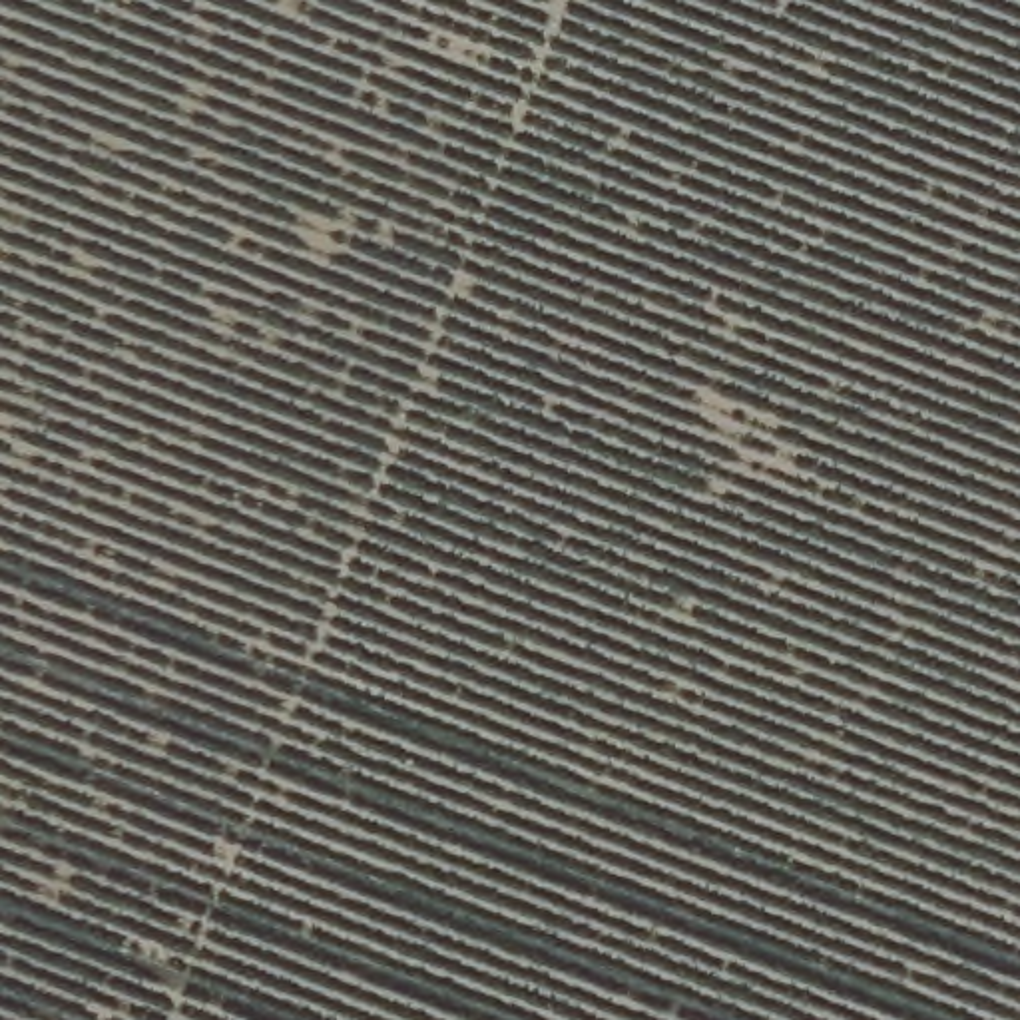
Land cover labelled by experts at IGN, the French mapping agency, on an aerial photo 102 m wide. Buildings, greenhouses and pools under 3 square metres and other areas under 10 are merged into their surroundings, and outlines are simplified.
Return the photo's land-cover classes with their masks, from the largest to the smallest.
<instances>
[{"label":"vineyard","instance_id":"1","mask_svg":"<svg viewBox=\"0 0 1020 1020\"><path fill-rule=\"evenodd\" d=\"M0 1020H1020V0H0Z\"/></svg>","mask_w":1020,"mask_h":1020}]
</instances>
